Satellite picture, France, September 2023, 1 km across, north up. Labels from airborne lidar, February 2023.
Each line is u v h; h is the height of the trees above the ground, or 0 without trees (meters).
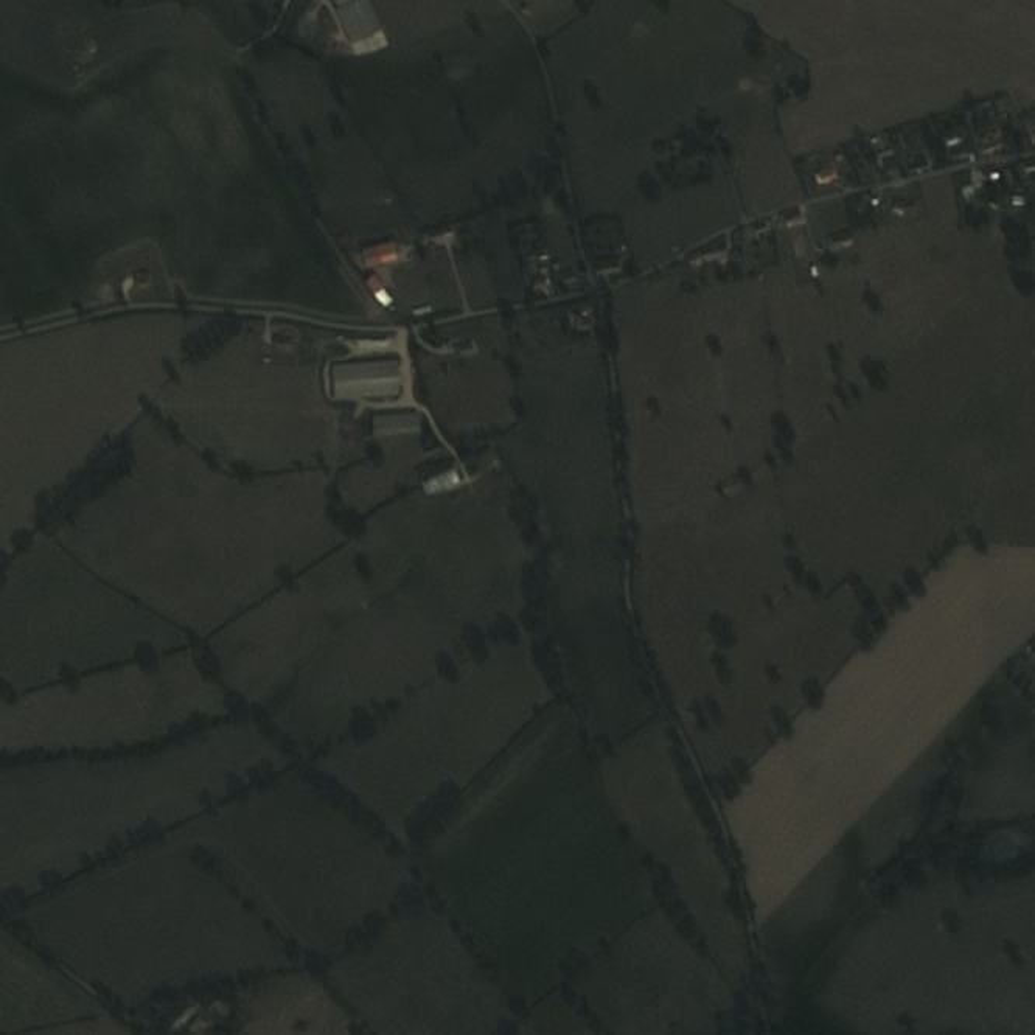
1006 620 0
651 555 0
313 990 0
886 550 0
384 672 0
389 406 0
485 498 0
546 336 0
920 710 0
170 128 0
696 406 0
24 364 0
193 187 0
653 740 0
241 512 0
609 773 0
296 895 0
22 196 0
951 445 0
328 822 0
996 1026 0
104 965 0
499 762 0
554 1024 0
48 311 0
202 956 0
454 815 12
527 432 0
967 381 0
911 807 0
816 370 0
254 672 0
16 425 0
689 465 0
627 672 0
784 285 0
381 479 0
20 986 0
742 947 0
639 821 0
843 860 0
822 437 0
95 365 0
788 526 0
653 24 0
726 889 0
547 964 0
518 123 0
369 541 0
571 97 0
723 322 0
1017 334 0
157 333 0
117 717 0
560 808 0
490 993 0
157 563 0
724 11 0
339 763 0
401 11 0
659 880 19
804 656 0
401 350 0
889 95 0
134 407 0
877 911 0
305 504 0
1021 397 0
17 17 0
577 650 0
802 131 0
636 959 0
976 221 15
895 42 0
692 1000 0
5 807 0
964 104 11
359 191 0
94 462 11
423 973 0
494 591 0
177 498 0
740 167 0
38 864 0
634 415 0
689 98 0
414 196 0
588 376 0
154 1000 10
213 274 0
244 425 0
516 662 0
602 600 0
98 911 0
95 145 0
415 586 0
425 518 0
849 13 0
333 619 0
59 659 0
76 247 0
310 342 0
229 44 0
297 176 20
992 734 12
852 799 0
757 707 0
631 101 0
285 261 0
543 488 0
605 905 0
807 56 0
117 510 0
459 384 0
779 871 0
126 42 0
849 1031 0
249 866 0
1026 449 0
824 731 0
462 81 0
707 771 0
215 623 0
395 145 0
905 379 0
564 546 0
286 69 0
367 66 0
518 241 9
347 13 0
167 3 0
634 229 0
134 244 0
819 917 0
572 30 0
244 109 0
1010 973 0
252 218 0
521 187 17
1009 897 0
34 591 0
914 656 0
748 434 0
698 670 0
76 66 0
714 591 0
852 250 0
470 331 0
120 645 0
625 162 0
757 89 0
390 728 0
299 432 0
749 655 0
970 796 0
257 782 16
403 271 0
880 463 0
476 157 0
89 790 0
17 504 0
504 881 0
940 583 0
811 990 0
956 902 0
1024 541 0
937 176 0
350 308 0
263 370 0
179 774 0
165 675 0
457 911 0
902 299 0
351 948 13
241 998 0
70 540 0
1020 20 0
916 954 0
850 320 0
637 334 0
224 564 0
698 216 0
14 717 0
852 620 0
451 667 18
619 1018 0
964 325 0
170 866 0
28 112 0
